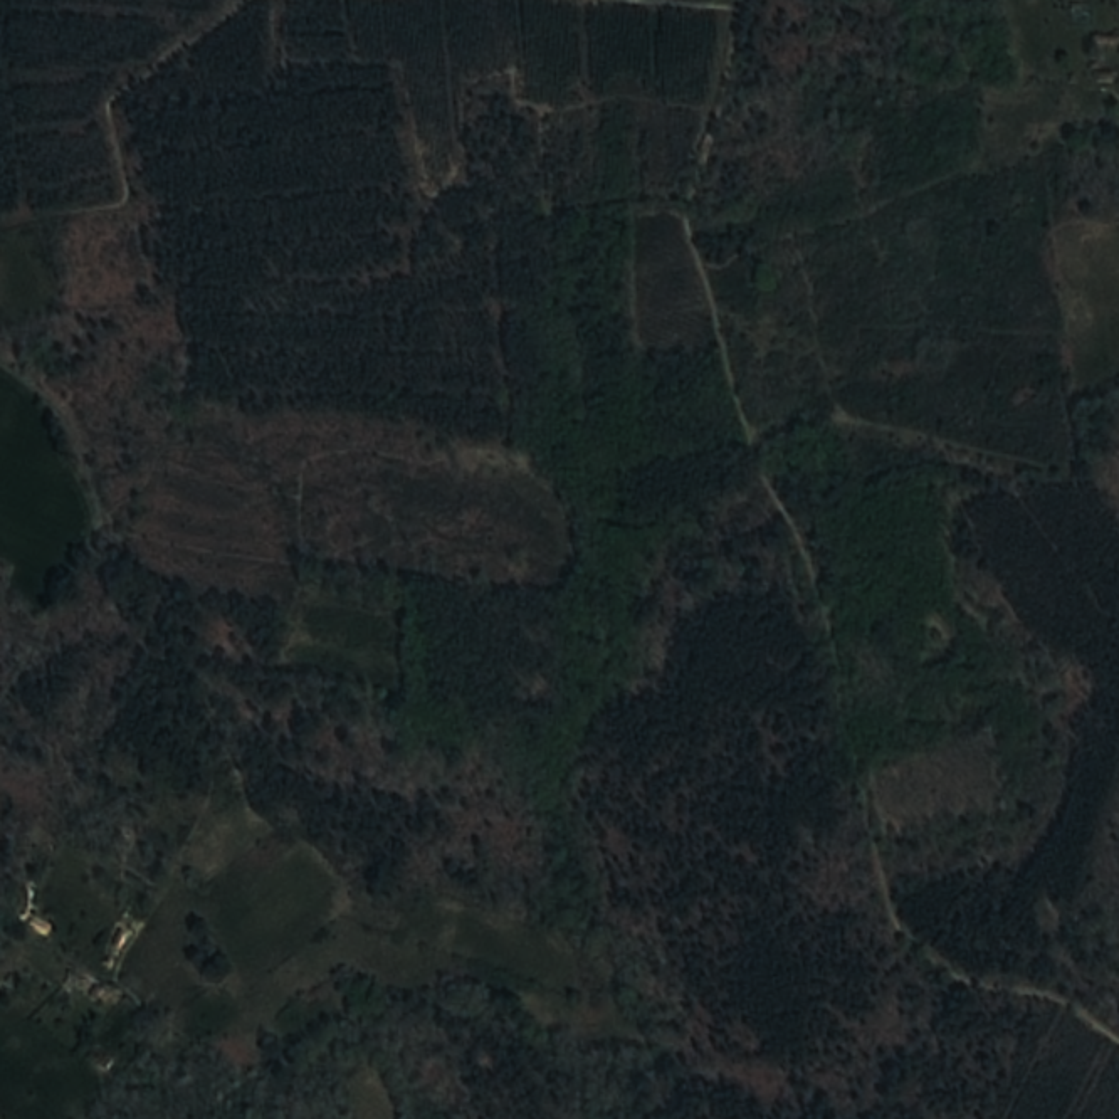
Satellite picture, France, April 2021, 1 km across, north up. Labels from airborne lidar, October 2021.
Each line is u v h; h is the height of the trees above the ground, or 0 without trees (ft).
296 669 31
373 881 45
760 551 24
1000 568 49
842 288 21
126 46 32
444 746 63
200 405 76
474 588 51
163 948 0
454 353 49
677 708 49
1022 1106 35
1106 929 53
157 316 37
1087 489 48
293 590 22
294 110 49
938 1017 28
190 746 29
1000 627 62
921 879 36
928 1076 40
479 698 87
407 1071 53
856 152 36
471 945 0
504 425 71
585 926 72
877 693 56
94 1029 35
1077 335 0
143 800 20
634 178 24
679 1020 39
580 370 85
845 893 29
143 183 52
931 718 49
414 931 0
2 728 90
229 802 0
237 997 0
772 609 48
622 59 36
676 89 30
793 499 83
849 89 65
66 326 46
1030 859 28
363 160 43
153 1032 75
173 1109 41
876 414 20
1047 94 0
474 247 70
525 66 20
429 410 66
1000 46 53
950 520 54
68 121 41
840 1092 26
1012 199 25
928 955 50
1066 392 29
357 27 31
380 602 56
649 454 62
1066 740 47
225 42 32
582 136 24
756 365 21
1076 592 57
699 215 34
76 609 74
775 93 61
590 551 77
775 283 61
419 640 56
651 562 61
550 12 34
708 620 50
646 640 58
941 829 54
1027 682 35
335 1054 62
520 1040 38
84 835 46
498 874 29
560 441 79
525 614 69
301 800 59
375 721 49
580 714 57
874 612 56
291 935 0
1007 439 18
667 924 37
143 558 28
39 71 37
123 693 59
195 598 85
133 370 20
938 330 22
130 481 79
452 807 62
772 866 39
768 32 36
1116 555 57
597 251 58
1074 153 50
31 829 59
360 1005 55
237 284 60
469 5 25
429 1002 38
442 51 28
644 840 38
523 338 74
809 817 56
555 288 63
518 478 0
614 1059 72
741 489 63
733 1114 52
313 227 45
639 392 69
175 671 50
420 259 58
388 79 43
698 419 63
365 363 61
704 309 0
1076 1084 24
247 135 46
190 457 20
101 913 0
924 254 22
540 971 0
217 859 0
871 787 50
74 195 31
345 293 52
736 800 47
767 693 46
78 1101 0
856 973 41
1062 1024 23
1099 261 0
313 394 58
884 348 25
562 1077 33
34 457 0
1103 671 52
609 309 58
